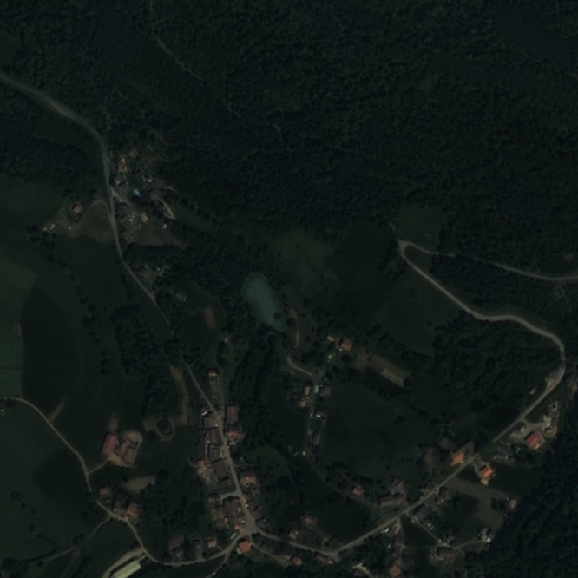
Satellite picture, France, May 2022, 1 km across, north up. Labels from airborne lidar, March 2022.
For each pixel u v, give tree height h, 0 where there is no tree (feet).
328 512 0
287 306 53
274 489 49
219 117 82
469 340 67
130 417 0
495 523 0
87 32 66
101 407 0
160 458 0
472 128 73
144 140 95
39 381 0
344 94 44
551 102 41
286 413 0
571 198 43
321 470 0
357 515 0
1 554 0
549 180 77
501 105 70
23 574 39
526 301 23
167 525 56
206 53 60
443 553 0
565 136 23
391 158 71
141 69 59
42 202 0
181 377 0
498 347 67
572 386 0
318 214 72
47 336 0
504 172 65
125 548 0
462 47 104
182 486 0
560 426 0
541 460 0
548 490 63
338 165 68
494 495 0
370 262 0
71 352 0
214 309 0
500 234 44
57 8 40
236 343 55
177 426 0
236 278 87
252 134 85
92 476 0
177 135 76
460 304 0
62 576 0
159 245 0
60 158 98
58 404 0
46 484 0
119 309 0
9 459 0
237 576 0
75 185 70
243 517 0
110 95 76
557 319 28
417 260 0
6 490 0
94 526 0
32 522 0
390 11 85
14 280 0
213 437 0
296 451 0
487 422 0
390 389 0
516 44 70
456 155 78
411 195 42
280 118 87
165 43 35
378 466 0
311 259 0
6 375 0
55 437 0
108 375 46
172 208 0
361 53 90
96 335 44
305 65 96
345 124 98
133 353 73
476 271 75
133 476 0
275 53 48
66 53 99
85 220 0
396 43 71
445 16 39
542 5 78
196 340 0
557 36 73
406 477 0
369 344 23
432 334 0
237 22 40
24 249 0
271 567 0
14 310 0
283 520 0
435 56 64
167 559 35
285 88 90
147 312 0
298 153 83
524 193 81
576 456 52
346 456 0
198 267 66
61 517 0
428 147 70
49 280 0
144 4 36
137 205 45
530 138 62
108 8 65
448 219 0
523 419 0
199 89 70
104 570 0
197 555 0
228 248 38
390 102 57
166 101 52
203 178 54
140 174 0
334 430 0
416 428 0
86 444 0
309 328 0
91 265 0
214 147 88
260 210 96
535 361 53
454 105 34
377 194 60
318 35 74
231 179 45
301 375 0
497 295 30
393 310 0
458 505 52
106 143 0
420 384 0
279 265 0
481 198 50
